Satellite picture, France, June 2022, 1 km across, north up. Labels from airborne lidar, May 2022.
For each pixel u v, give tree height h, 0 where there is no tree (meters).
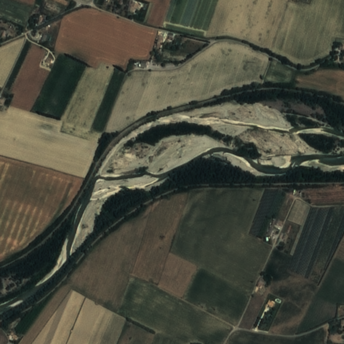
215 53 0
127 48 0
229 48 0
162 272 0
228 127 0
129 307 0
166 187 6
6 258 0
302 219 0
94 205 0
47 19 11
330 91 0
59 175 0
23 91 0
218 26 0
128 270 0
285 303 0
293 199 0
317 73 0
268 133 0
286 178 12
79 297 0
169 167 0
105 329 0
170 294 0
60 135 0
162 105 0
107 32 0
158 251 0
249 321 0
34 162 0
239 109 0
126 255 0
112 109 0
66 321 0
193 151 0
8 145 0
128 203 16
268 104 0
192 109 9
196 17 0
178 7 0
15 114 0
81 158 0
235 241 0
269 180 13
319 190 0
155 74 0
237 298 0
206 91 0
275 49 0
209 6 0
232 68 0
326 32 0
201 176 24
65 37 0
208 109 0
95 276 0
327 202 0
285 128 0
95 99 0
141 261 0
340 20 0
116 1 7
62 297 0
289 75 0
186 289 0
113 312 0
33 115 0
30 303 15
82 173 0
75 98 0
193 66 0
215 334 0
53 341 0
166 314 0
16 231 0
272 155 0
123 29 0
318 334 0
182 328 0
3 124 0
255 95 21
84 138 0
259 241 0
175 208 0
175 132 10
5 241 0
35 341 0
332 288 0
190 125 11
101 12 0
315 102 16
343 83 0
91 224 0
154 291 0
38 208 0
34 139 0
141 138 7
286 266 0
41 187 0
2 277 14
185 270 0
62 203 0
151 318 0
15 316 14
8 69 0
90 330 0
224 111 0
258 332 0
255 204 0
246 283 0
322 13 0
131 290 0
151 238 0
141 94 0
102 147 11
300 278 0
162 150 0
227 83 0
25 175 0
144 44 0
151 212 0
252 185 12
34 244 7
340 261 0
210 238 0
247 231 0
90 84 0
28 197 0
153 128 9
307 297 0
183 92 0
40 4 0
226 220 0
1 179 0
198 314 0
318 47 0
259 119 0
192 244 0
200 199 0
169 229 0
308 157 0
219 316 0
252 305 0
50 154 0
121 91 0
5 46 0
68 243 0
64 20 0
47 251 14
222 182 16
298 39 0
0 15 0
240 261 0
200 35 0
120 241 0
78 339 0
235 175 26
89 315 0
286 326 0
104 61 0
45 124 0
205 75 0
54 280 16
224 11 0
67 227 17
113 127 0
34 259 17
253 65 0
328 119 14
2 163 0
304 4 0
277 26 0
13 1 0
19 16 0
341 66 17
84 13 0
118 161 0
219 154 0
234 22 0
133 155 0
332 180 12
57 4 0
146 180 0
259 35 0
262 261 0
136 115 0
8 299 7
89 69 0
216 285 0
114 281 0
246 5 0
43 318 0
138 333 0
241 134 0
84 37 0
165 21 0
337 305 6
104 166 0
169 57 0
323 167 0
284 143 0
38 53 0
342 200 0
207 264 0
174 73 0
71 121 0
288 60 10
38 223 0
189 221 0
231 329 0
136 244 0
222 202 0
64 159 0
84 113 0
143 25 0
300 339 0
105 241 0
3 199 0
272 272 0
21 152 0
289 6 0
